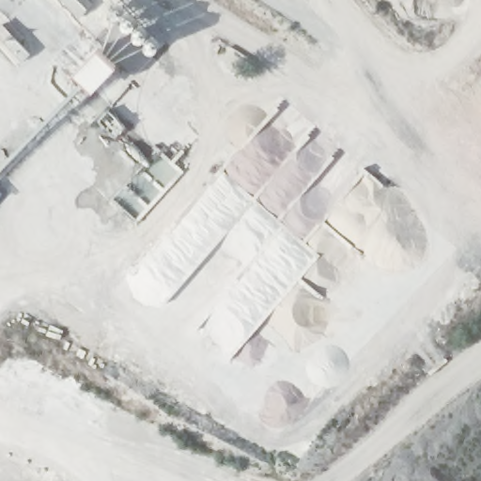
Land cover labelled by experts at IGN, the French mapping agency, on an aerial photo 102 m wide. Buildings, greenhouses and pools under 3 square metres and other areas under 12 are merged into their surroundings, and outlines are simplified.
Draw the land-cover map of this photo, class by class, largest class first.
<instances>
[{"label":"pervious surface","instance_id":"1","mask_svg":"<svg viewBox=\"0 0 481 481\"><path fill-rule=\"evenodd\" d=\"M15 19L21 21L26 28H32L34 36L43 43L41 53L32 56L26 53V49L19 41L11 38V34L6 30V23ZM250 53L263 54L271 62L272 70L263 71L256 77H242L235 68L240 58H246ZM92 54H100L101 58H105L107 64H111V68H115L122 81L128 85L116 96L115 103L103 100L96 90L88 94L85 88L75 81V75L83 70ZM165 158L177 163L180 171H186V177L162 205L152 212L147 222L135 224L132 216L120 205H116V197L130 188L132 175L139 173L141 167H147V163L162 162ZM481 310V0H100V6L90 11L85 9L79 0H0V334L4 327L13 323H34V329L38 333L56 338L66 349V353L60 355L54 346L41 342V349L53 351L41 363L34 359H8L0 365V481H481V340L470 348L453 353L445 344V331L451 319L466 321L468 312ZM88 381H94L100 387L115 389L118 396L124 400L122 406L116 408L115 404L103 400L100 396L83 391L81 387ZM156 391L169 395V402L180 404L178 417L165 413L160 406H156L150 400V395ZM162 425L190 430L203 442L209 443L212 449H220L235 457L248 458V468L235 470L233 466H220L212 457L194 453L190 449H182L171 436L160 434ZM235 434H239L240 438L248 442L261 445L267 451L293 453L297 457V466L293 470H287L282 462L269 464L256 457L254 453L231 445L229 442Z\"/></svg>","mask_w":481,"mask_h":481},{"label":"building","instance_id":"2","mask_svg":"<svg viewBox=\"0 0 481 481\"><path fill-rule=\"evenodd\" d=\"M85 9L90 11L100 6V0H79ZM6 30L11 34V38L19 41L26 49V53L32 56L41 53L43 43L34 36L32 28H26L21 21L15 19L6 23ZM75 81L85 88L88 94L96 90L103 100L115 103L116 96L128 85L122 81L115 68H111V64H107L105 58H101L100 54H92L83 70L75 75ZM186 177V171H180L177 163L165 158L162 162L147 163V167H141L139 173L132 175L130 188L116 197V205H120L132 216L135 224L147 222L152 212L162 205Z\"/></svg>","mask_w":481,"mask_h":481},{"label":"herbaceous vegetation","instance_id":"3","mask_svg":"<svg viewBox=\"0 0 481 481\"><path fill-rule=\"evenodd\" d=\"M41 342L54 346L60 355L66 353V349L56 338L38 333L34 329V323H13L4 327L0 334V365L8 359H34L41 363L53 351L41 349ZM83 391L100 396L103 400L115 404L116 408L122 406L124 400L118 396L115 389L100 387L94 381H88L81 387ZM150 400L156 406H160L165 413L178 417L180 404L169 402V395L156 391L150 395ZM160 434L171 436L182 449H190L194 453L212 457L220 466H233L235 470L248 468V458L235 457L220 449H212L209 443L203 442L190 430L162 425ZM231 445L254 453L256 457L269 464L282 462L287 470H293L297 466V457L293 453L267 451L261 445L248 442L240 438L239 434H235L229 442Z\"/></svg>","mask_w":481,"mask_h":481},{"label":"brushwood","instance_id":"4","mask_svg":"<svg viewBox=\"0 0 481 481\"><path fill-rule=\"evenodd\" d=\"M445 344L453 353L470 348L481 340V310L468 312L466 321L451 319L445 331Z\"/></svg>","mask_w":481,"mask_h":481},{"label":"deciduous trees","instance_id":"5","mask_svg":"<svg viewBox=\"0 0 481 481\"><path fill-rule=\"evenodd\" d=\"M242 77H256L263 71L272 70L271 62L263 54L250 53L246 58H240L235 68Z\"/></svg>","mask_w":481,"mask_h":481}]
</instances>
